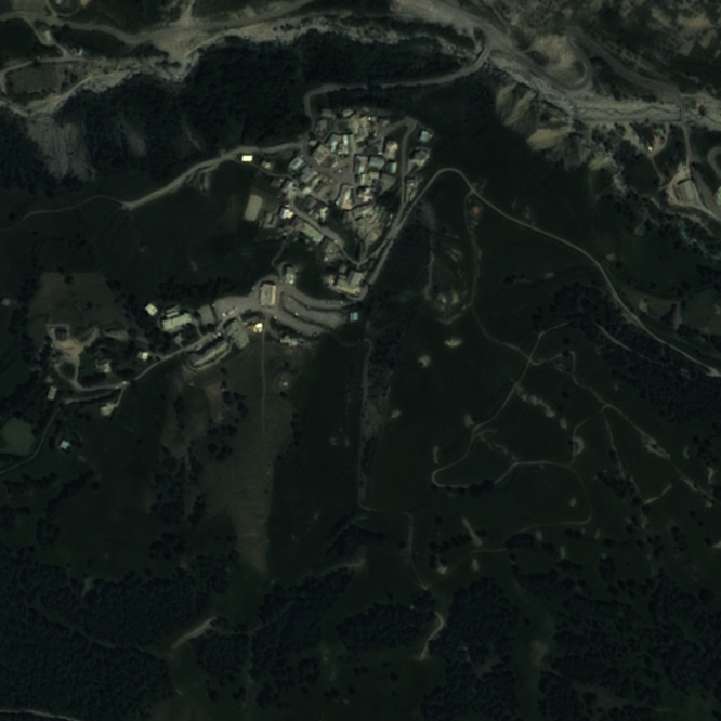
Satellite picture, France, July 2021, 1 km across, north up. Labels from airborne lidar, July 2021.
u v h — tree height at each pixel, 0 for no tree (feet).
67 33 40
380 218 0
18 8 0
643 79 0
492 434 0
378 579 0
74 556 0
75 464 0
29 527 0
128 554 0
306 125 50
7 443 0
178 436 0
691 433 0
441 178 0
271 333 0
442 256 0
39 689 67
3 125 37
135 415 0
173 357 0
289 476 0
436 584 0
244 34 0
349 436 0
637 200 49
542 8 0
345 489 0
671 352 57
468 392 0
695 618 81
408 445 0
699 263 0
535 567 0
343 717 0
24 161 52
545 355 0
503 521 0
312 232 0
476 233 0
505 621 73
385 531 0
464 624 62
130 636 84
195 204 0
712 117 0
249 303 0
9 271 0
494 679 50
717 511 0
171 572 0
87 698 68
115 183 0
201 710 0
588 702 72
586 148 0
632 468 0
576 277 0
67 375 0
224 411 0
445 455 0
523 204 0
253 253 0
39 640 57
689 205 0
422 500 0
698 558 0
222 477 0
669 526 0
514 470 0
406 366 0
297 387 0
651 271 0
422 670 0
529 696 0
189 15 0
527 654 0
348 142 0
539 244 0
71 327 0
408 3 0
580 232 0
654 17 0
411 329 0
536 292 0
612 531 0
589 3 0
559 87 0
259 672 67
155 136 61
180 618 55
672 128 27
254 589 0
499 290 0
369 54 37
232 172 0
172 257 0
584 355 0
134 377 45
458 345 0
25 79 0
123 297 22
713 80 0
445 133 0
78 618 70
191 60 0
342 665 0
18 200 0
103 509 0
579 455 0
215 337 0
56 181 71
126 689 50
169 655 0
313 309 0
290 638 73
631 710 52
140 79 30
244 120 33
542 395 0
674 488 0
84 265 0
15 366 0
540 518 0
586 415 0
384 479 0
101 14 0
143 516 0
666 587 42
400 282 0
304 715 0
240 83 82
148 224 0
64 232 0
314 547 0
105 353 48
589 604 76
